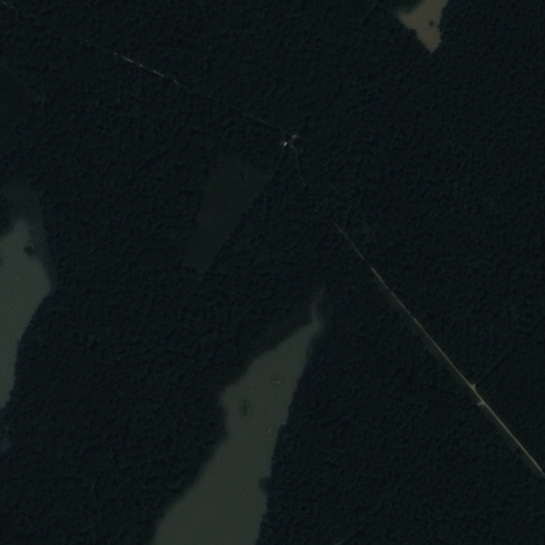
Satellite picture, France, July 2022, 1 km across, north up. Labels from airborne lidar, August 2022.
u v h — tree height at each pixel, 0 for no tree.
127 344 24
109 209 19
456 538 20
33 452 23
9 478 23
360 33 21
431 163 29
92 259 19
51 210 21
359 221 28
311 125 22
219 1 22
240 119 18
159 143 21
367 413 25
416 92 22
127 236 25
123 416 25
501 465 20
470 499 28
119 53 22
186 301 14
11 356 0
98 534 19
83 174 7
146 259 24
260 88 24
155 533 7
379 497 24
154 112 25
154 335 14
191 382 21
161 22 12
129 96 22
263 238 23
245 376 0
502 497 25
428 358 28
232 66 24
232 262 20
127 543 25
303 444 25
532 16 24
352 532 21
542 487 21
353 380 26
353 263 23
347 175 28
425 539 24
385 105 24
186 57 20
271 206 24
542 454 18
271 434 0
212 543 0
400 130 26
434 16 0
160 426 23
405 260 23
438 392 28
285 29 21
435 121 23
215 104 24
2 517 28
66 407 14
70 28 22
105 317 19
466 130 24
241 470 0
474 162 24
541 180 20
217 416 16
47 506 25
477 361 24
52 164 17
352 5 23
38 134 18
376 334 23
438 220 25
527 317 24
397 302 0
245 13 24
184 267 23
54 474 19
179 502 0
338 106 25
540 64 22
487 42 24
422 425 25
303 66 23
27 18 23
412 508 24
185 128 20
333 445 25
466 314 23
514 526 23
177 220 23
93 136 21
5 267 0
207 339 20
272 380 0
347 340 24
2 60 13
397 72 24
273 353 0
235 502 0
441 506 27
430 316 23
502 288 24
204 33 21
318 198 16
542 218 25
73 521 20
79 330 24
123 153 20
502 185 21
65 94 23
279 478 24
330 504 23
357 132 12
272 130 17
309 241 24
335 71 24
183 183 24
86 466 21
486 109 23
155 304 22
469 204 13
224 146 18
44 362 23
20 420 24
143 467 24
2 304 0
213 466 0
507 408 20
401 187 29
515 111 22
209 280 21
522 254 27
